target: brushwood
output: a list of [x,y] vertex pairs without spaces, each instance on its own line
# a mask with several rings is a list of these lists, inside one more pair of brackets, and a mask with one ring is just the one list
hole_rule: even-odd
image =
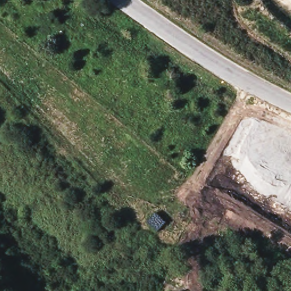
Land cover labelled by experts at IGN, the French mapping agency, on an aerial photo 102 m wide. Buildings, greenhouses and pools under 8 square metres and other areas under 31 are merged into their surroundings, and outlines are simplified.
[[83,7],[91,15],[108,18],[114,13],[106,8],[105,0],[83,0]]
[[175,84],[186,93],[196,86],[197,76],[184,73],[178,77]]
[[151,56],[148,59],[150,74],[159,77],[168,66],[169,56]]
[[177,15],[191,19],[194,24],[199,24],[203,31],[230,45],[244,58],[263,66],[268,72],[273,72],[291,84],[291,63],[267,45],[250,38],[247,31],[235,20],[232,0],[161,0],[163,5],[175,11]]
[[196,157],[189,151],[184,151],[180,160],[181,172],[175,173],[167,180],[167,183],[172,183],[173,189],[178,189],[198,166]]
[[72,291],[69,286],[80,278],[77,273],[78,265],[73,257],[58,248],[55,236],[44,233],[33,223],[31,207],[25,206],[25,216],[19,217],[17,210],[3,209],[0,206],[0,233],[13,235],[19,251],[31,256],[28,263],[24,261],[20,266],[30,269],[34,274],[43,275],[47,291]]
[[75,157],[70,163],[65,156],[57,153],[55,147],[44,138],[39,126],[15,123],[17,130],[25,132],[27,139],[31,141],[24,153],[39,161],[38,173],[43,177],[55,176],[60,189],[66,193],[64,206],[68,210],[80,209],[81,218],[89,233],[83,242],[84,249],[88,252],[94,249],[101,250],[106,244],[114,242],[114,233],[119,228],[113,218],[117,209],[110,205],[105,194],[99,191],[99,186],[103,183],[99,178],[90,168],[84,166],[81,159]]
[[135,282],[120,281],[111,284],[95,281],[97,285],[92,291],[165,291],[167,284],[176,284],[176,277],[192,271],[190,261],[183,259],[180,250],[171,251],[169,265],[161,266],[160,276],[148,275],[141,271],[136,274]]

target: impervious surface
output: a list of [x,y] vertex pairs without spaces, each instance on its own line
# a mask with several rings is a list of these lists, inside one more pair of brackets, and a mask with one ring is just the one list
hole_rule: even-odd
[[155,33],[183,55],[197,61],[211,73],[231,84],[236,92],[247,91],[253,97],[271,102],[272,105],[291,113],[291,92],[278,88],[264,78],[250,73],[248,69],[233,63],[141,0],[105,0],[106,8],[114,13],[122,9],[123,13],[148,31]]

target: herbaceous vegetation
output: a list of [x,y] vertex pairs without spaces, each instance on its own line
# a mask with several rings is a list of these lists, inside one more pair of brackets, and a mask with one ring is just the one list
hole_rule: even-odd
[[232,0],[235,20],[247,31],[250,38],[267,45],[291,63],[291,32],[283,23],[275,20],[261,0]]
[[0,233],[0,257],[7,260],[11,280],[20,286],[20,291],[47,291],[43,275],[34,274],[30,269],[20,266],[24,261],[28,263],[31,256],[19,251],[13,235]]
[[[120,281],[135,282],[136,274],[141,271],[148,275],[160,276],[161,266],[169,265],[171,251],[180,250],[181,244],[165,243],[159,238],[161,231],[173,232],[174,226],[180,230],[183,222],[192,222],[189,206],[184,206],[177,198],[178,189],[173,189],[172,183],[167,183],[167,180],[175,173],[181,172],[180,160],[184,151],[189,151],[196,157],[198,166],[206,161],[206,152],[211,140],[223,124],[228,111],[235,105],[236,92],[231,84],[211,73],[197,61],[183,55],[155,33],[148,31],[123,13],[122,9],[114,13],[108,18],[91,15],[83,7],[83,0],[0,0],[0,206],[3,209],[17,210],[19,217],[25,216],[25,206],[31,207],[33,223],[44,233],[55,236],[58,248],[73,257],[78,265],[77,273],[80,278],[69,286],[72,291],[92,291],[97,285],[95,281],[111,284]],[[159,77],[150,74],[148,59],[151,56],[169,56],[168,66]],[[186,93],[175,84],[178,77],[184,73],[197,76],[196,86]],[[99,191],[105,194],[110,205],[117,209],[113,218],[119,228],[114,233],[114,242],[106,244],[101,250],[94,249],[88,252],[84,249],[83,242],[89,233],[81,218],[80,209],[68,210],[64,206],[66,193],[60,189],[55,176],[43,177],[38,173],[39,161],[24,153],[31,141],[27,139],[25,132],[17,130],[15,123],[39,126],[44,138],[55,147],[57,153],[65,156],[70,163],[75,157],[81,159],[84,166],[90,168],[99,178],[103,183],[99,186]],[[148,219],[156,213],[164,221],[159,230],[148,224]]]
[[244,58],[230,45],[203,31],[199,24],[194,24],[191,19],[177,15],[175,11],[163,5],[161,0],[141,0],[233,63],[248,69],[250,73],[264,78],[278,88],[291,92],[291,84],[273,72],[268,72],[263,66]]

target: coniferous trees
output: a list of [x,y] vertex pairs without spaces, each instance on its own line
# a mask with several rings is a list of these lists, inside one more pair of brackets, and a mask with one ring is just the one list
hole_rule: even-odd
[[272,253],[264,253],[258,257],[256,243],[252,243],[250,239],[239,238],[239,248],[244,256],[241,261],[235,261],[234,264],[226,261],[225,266],[231,274],[228,275],[225,291],[291,291],[291,260]]

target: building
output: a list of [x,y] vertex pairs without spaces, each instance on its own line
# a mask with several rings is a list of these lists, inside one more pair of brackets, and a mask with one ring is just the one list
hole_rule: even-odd
[[156,213],[148,219],[148,224],[159,230],[164,221]]

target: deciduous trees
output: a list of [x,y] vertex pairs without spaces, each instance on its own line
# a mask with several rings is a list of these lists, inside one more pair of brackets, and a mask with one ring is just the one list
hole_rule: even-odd
[[7,260],[0,257],[0,291],[20,291],[20,286],[11,280]]
[[224,232],[225,239],[216,240],[213,246],[206,250],[208,265],[199,275],[199,282],[206,291],[225,291],[228,275],[231,274],[225,266],[226,261],[234,264],[235,261],[241,261],[244,256],[239,248],[239,238],[234,232],[227,230]]

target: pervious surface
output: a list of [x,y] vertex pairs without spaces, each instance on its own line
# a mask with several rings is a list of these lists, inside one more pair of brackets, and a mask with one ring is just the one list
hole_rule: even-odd
[[291,0],[261,0],[275,20],[283,23],[291,32]]
[[159,238],[165,243],[181,244],[180,250],[183,259],[190,261],[192,271],[176,277],[176,284],[167,284],[165,291],[206,291],[199,282],[199,275],[208,265],[206,250],[213,246],[216,240],[225,239],[224,232],[227,230],[234,232],[239,238],[250,239],[252,243],[256,243],[258,257],[264,253],[272,253],[291,260],[291,113],[272,105],[271,102],[253,97],[247,91],[236,92],[235,105],[228,111],[223,124],[211,140],[206,152],[206,161],[198,166],[178,189],[177,198],[184,206],[189,206],[192,222],[183,222],[180,230],[174,226],[173,232],[161,231]]

